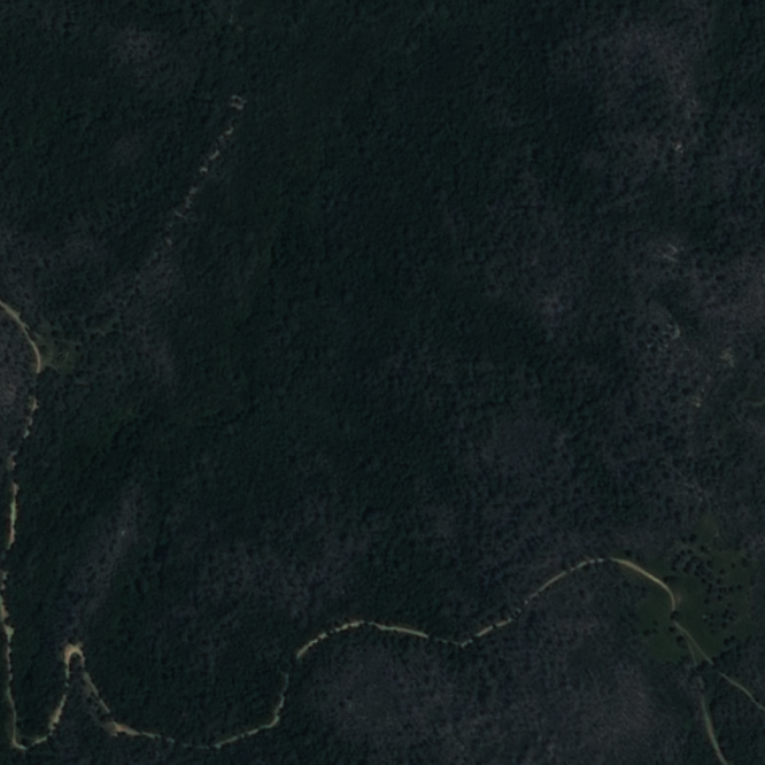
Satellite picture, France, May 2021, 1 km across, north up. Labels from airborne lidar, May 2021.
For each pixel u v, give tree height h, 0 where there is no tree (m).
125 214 15
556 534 18
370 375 15
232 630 10
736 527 6
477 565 11
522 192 15
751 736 12
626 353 16
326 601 14
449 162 10
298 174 10
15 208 10
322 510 10
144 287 13
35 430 19
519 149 13
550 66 21
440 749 17
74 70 16
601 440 8
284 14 16
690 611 0
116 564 7
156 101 9
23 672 14
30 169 16
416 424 8
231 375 13
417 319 19
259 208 21
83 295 15
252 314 13
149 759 18
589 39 15
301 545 18
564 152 14
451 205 12
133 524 12
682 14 16
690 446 16
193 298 13
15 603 10
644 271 8
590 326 11
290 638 13
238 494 13
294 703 8
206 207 13
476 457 12
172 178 14
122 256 14
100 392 20
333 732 19
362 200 14
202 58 14
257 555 17
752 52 14
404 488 12
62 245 11
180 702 19
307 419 8
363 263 18
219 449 21
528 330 13
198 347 15
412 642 13
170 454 13
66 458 22
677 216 15
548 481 17
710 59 13
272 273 26
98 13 9
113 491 18
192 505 8
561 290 18
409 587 16
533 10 11
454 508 8
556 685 12
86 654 10
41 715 16
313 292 17
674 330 6
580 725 13
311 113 14
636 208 7
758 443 15
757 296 19
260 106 15
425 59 15
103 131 14
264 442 7
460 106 7
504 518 8
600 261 15
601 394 8
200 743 17
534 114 15
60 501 17
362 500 13
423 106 7
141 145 16
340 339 6
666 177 14
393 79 17
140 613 15
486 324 12
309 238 21
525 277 16
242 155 16
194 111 11
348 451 13
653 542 12
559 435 20
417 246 13
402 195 11
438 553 9
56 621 6
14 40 10
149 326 15
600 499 15
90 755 11
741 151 15
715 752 15
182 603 9
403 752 9
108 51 12
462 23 7
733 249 18
